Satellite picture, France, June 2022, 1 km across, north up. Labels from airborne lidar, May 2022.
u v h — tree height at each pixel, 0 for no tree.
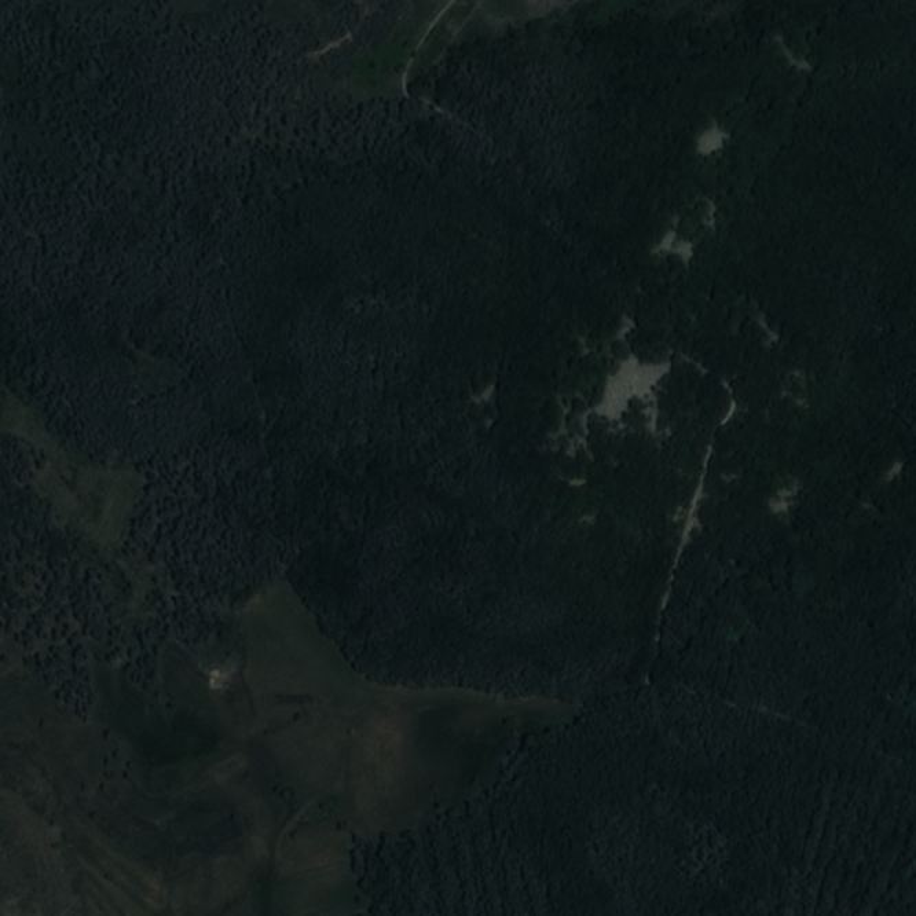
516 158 10
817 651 20
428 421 17
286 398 11
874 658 19
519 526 10
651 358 12
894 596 18
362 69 0
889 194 18
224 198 19
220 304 18
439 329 16
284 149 13
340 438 14
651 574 14
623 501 15
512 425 18
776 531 14
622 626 16
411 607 20
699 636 27
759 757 21
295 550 12
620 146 20
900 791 17
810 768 17
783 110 20
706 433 17
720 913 14
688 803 20
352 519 6
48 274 16
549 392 14
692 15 15
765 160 17
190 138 20
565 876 15
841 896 17
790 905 16
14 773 0
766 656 20
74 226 15
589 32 13
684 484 12
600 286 19
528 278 15
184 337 12
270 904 0
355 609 16
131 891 0
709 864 16
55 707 0
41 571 13
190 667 0
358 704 0
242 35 11
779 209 17
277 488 10
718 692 16
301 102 9
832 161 18
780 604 21
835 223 18
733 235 15
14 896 0
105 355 16
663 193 17
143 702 0
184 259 15
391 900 10
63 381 15
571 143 16
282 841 0
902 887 10
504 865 14
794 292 20
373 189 16
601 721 18
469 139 14
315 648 0
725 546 15
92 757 0
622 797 20
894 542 31
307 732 0
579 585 15
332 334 16
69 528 7
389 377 17
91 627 16
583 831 18
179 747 0
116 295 19
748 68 18
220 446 17
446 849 11
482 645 19
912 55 21
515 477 15
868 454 25
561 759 25
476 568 19
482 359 19
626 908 18
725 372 15
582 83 6
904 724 16
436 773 0
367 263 19
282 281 17
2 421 0
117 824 0
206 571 12
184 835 0
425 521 14
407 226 20
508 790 15
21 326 15
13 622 18
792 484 12
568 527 15
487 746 0
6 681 0
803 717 17
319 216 20
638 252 11
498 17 0
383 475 17
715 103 22
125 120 19
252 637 0
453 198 18
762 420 10
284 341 16
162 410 22
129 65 14
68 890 0
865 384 19
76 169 8
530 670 21
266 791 0
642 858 16
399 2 8
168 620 13
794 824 17
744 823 21
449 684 16
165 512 15
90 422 16
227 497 13
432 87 19
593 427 9
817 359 18
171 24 11
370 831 0
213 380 22
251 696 0
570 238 16
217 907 0
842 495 17
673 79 24
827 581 25
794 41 17
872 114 24
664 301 15
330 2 0
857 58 23
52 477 0
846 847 17
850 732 21
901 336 27
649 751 17
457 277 18
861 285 21
